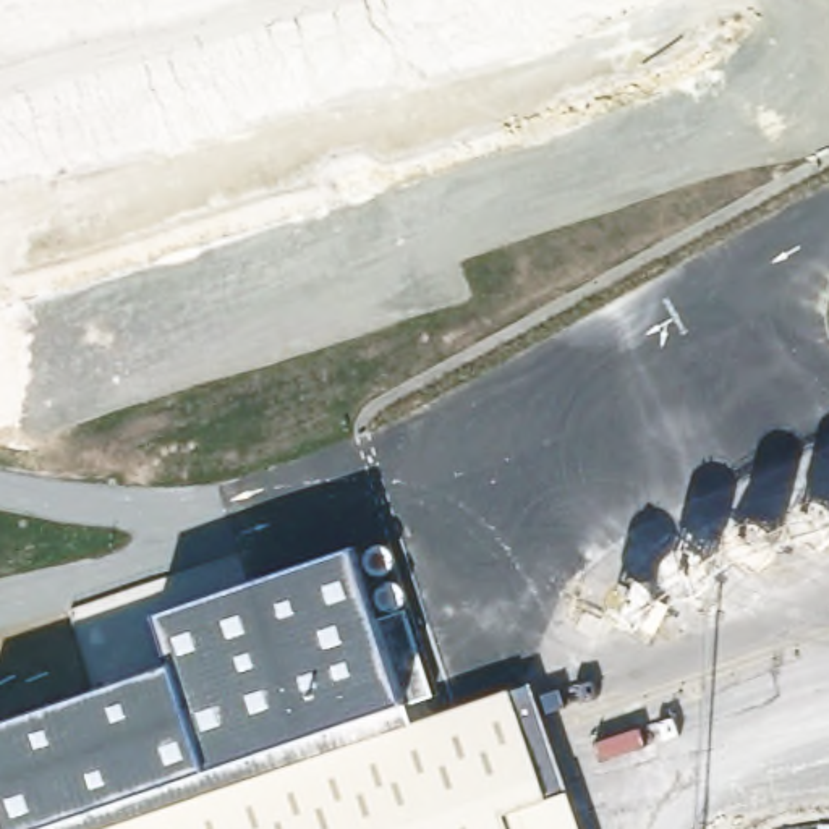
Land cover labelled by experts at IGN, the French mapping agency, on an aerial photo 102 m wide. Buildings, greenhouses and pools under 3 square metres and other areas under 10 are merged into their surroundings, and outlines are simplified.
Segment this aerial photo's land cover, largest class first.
<instances>
[{"label":"impervious surface","instance_id":"1","mask_svg":"<svg viewBox=\"0 0 829 829\"><path fill-rule=\"evenodd\" d=\"M719 81L699 78L693 91L654 94L648 104L625 100L544 146L495 149L489 155L466 159L450 168L411 175L372 194L363 204H340L321 217H304L298 223H272L249 236L204 249L201 256L178 266H142L117 278H100L74 291L42 298L26 317L29 385L19 415L26 437H32V450H52L78 424L110 415L117 408L172 395L246 369L272 366L278 359L343 343L418 314L463 304L470 298L463 262L479 253L628 207L661 191H674L755 165H771L767 185L667 233L661 243L599 272L586 285L547 301L544 308L489 334L486 340H476L466 350L415 372L411 379L382 389L359 408L353 421V437L330 450L272 466L249 479H220L210 486L172 489L52 483L32 473L23 476L16 470L0 473V508L68 525L120 528L130 534V544L113 554L0 580V716L10 719L94 690L84 648L71 622L78 615V606L146 583H165L168 567L175 573H188L194 567L236 557L243 563V573L253 580L321 554H356L366 547H389L402 538V547L411 557V580L418 589L424 631L440 680L505 657H538L528 667L525 687H531L534 693V706L541 712V722L547 729L554 758L567 784V800L576 829H829V554H803L797 563H751L745 573L725 576L722 593L706 589L690 606H674L670 593L661 586L657 567L683 534H693V554L706 557L719 547L729 521H755L761 528H777L787 518V508L810 512L813 502H829V188L784 207L774 220L745 230L742 236L690 262L687 269L670 266L657 278L631 288L628 295L557 330L538 350H528L525 356L483 376L473 385L434 398L424 415H411L376 437L372 418L395 398L424 389L444 372L502 346L505 340L576 304L580 298L625 278L644 262L667 256L670 249L696 240L699 233L738 217L742 210L784 191L787 185H797L816 168L829 165V0H764L761 6L755 3V29L738 36L735 55L719 65Z\"/></svg>","mask_w":829,"mask_h":829},{"label":"pervious surface","instance_id":"2","mask_svg":"<svg viewBox=\"0 0 829 829\"><path fill-rule=\"evenodd\" d=\"M755 3L761 6L764 0H0V444L10 450H32V437H26L19 415L29 385L26 317L42 298L74 291L100 278H117L142 266H178L201 256L204 249L249 236L272 223H298L304 217H321L340 204H363L372 194L411 175L450 168L466 159L489 155L495 149L544 146L625 100L648 104L654 94L693 91L699 78L719 81V65L735 55L738 36L755 29ZM130 544V534L120 528L68 525L0 508V580L113 554Z\"/></svg>","mask_w":829,"mask_h":829},{"label":"building","instance_id":"3","mask_svg":"<svg viewBox=\"0 0 829 829\"><path fill-rule=\"evenodd\" d=\"M803 554H829V502H813L810 512L787 508V518L777 528H761L755 521H729L719 547L706 557L693 554V534H683L657 567L661 586L670 593L674 606H690L706 589L722 593L725 576L745 573L751 563H797ZM71 622L84 648L94 690L10 719L0 716V829H576L567 800V784L554 758L547 729L541 722V712L534 706V693L531 687H525L528 667L538 657H505L440 680L424 631L418 589L411 580V557L402 547V538L389 547H366L356 554H321L253 580L243 573V563L236 557L194 567L188 573H175L168 567L165 583H146L78 606V615Z\"/></svg>","mask_w":829,"mask_h":829},{"label":"herbaceous vegetation","instance_id":"4","mask_svg":"<svg viewBox=\"0 0 829 829\"><path fill-rule=\"evenodd\" d=\"M771 165H755L674 191H661L628 207L479 253L463 262L470 298L463 304L418 314L343 343L278 359L272 366L246 369L172 395L117 408L110 415L78 424L52 450H10L0 444V473L16 470L23 476L32 473L52 483L172 489L210 486L220 479H249L272 466L330 450L353 437V421L359 408L382 389L411 379L415 372L466 350L476 340H486L489 334L544 308L547 301L586 285L599 272L661 243L667 233L767 185ZM829 188V165L816 168L797 185H787L784 191L742 210L738 217L699 233L696 240L670 249L667 256L644 262L625 278L580 298L576 304L505 340L502 346L444 372L424 389L395 398L372 418L376 437L411 415H424L434 398L473 385L483 376L525 356L528 350H538L557 330L628 295L631 288L657 278L670 266L687 269L690 262L742 236L745 230L774 220L784 207Z\"/></svg>","mask_w":829,"mask_h":829}]
</instances>
